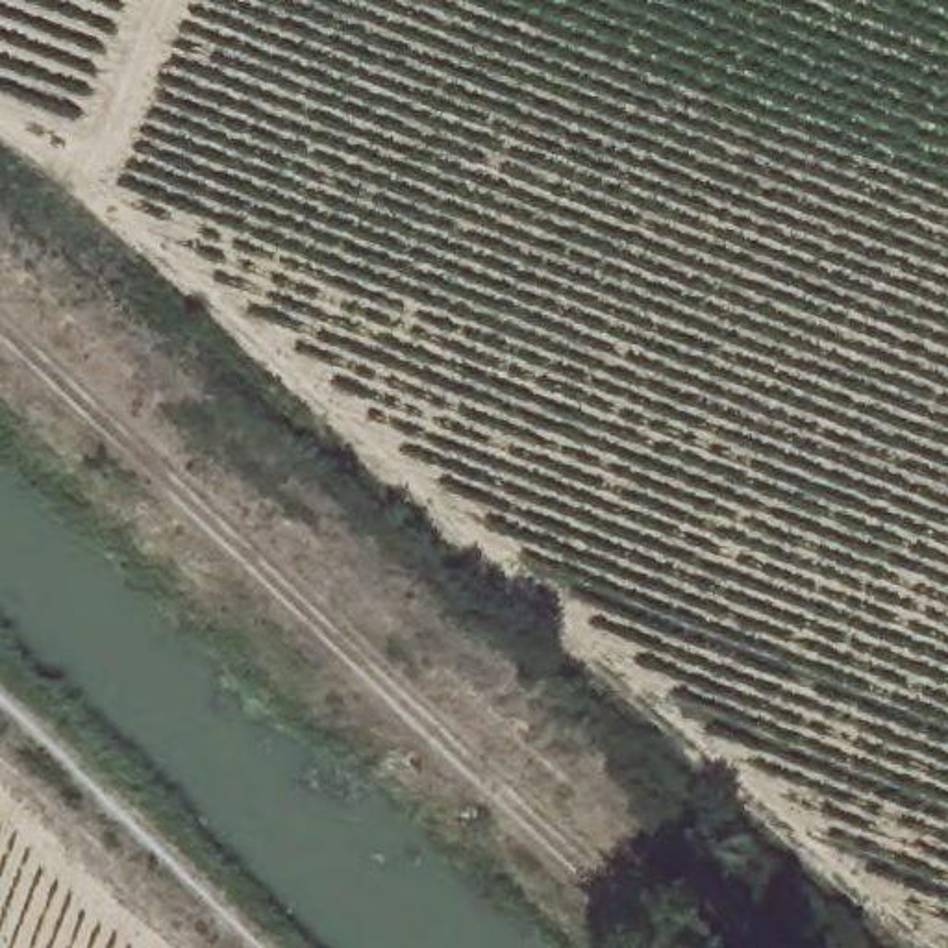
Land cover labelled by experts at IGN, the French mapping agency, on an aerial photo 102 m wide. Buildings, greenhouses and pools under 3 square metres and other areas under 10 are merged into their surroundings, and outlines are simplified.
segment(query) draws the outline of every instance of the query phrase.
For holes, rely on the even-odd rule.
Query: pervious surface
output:
[[[115,167],[119,174],[144,126],[144,111],[152,107],[159,63],[170,59],[170,44],[193,0],[122,0],[115,37],[96,56],[96,78],[89,85],[93,93],[81,96],[78,119],[63,119],[0,93],[0,141],[67,185],[78,174],[104,174],[107,167]]]

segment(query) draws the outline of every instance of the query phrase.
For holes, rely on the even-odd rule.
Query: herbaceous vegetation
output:
[[[63,259],[44,256],[22,233],[15,233],[11,218],[0,211],[0,400],[15,415],[30,418],[33,433],[59,455],[63,474],[74,474],[74,467],[100,444],[107,444],[107,452],[137,474],[133,500],[115,500],[104,511],[119,522],[133,522],[137,548],[144,555],[170,559],[181,574],[181,589],[196,596],[218,593],[218,574],[241,570],[252,581],[252,589],[274,600],[278,622],[289,618],[311,630],[311,637],[330,652],[330,663],[315,674],[311,692],[304,696],[307,711],[322,718],[326,696],[341,692],[348,707],[344,726],[370,733],[374,741],[385,741],[389,752],[381,763],[370,755],[359,767],[337,770],[352,789],[381,789],[396,804],[407,792],[463,796],[467,789],[474,789],[478,800],[493,807],[496,826],[507,830],[530,852],[537,852],[559,878],[589,878],[593,870],[600,870],[600,863],[618,841],[637,833],[637,826],[630,815],[630,796],[607,778],[607,763],[593,748],[589,733],[581,726],[552,722],[552,715],[544,715],[548,700],[537,700],[530,685],[518,681],[515,663],[504,652],[489,648],[481,637],[463,633],[452,618],[444,618],[437,596],[422,581],[407,578],[400,563],[381,559],[374,537],[356,537],[344,526],[341,504],[333,504],[318,485],[304,478],[285,481],[285,489],[296,500],[304,500],[318,515],[318,522],[307,530],[296,518],[285,518],[281,504],[259,496],[226,467],[211,474],[189,474],[181,433],[167,418],[159,418],[159,407],[181,400],[196,404],[204,381],[185,374],[170,356],[159,352],[156,333],[115,304],[111,289],[74,278]]]
[[[100,833],[104,848],[111,848],[119,863],[141,867],[148,874],[148,896],[159,904],[167,929],[193,929],[196,948],[274,948],[267,937],[256,933],[256,926],[241,918],[233,904],[226,904],[226,896],[207,878],[200,878],[178,855],[174,844],[167,844],[144,822],[141,811],[126,807],[93,770],[81,767],[74,748],[52,733],[52,726],[44,726],[0,685],[0,748],[11,755],[30,741],[41,744],[85,792],[85,800],[74,811],[78,822]]]

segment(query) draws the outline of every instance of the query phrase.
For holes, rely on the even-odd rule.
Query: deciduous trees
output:
[[[218,593],[196,596],[181,589],[181,574],[170,559],[144,555],[137,548],[133,522],[119,522],[104,511],[115,500],[133,500],[137,474],[107,452],[107,444],[100,444],[74,467],[74,474],[63,474],[59,455],[33,433],[30,418],[15,415],[0,400],[0,474],[26,500],[33,500],[74,544],[107,559],[115,574],[130,585],[130,593],[144,607],[159,611],[193,652],[215,659],[222,685],[244,700],[248,715],[267,718],[274,730],[289,733],[315,759],[337,770],[359,767],[370,755],[381,763],[389,752],[385,741],[374,741],[370,733],[344,726],[348,707],[341,692],[326,696],[322,718],[307,711],[304,696],[311,692],[315,674],[330,663],[330,652],[311,637],[311,630],[289,618],[278,622],[274,600],[252,589],[252,581],[241,570],[218,574]]]
[[[256,889],[233,863],[226,863],[207,844],[189,807],[156,781],[156,774],[133,752],[115,744],[93,722],[93,715],[81,707],[81,700],[70,696],[63,681],[52,681],[56,667],[37,674],[33,663],[19,652],[15,633],[0,626],[0,685],[44,726],[52,726],[52,733],[74,748],[81,767],[93,770],[126,807],[141,811],[144,822],[167,844],[174,844],[178,855],[200,878],[207,878],[226,896],[226,904],[233,904],[241,918],[256,926],[256,933],[267,937],[274,948],[315,948],[263,896],[263,889]]]
[[[85,800],[85,792],[41,744],[30,741],[11,755],[26,774],[44,781],[74,811]]]
[[[455,544],[444,541],[426,507],[407,489],[378,481],[356,455],[356,448],[341,441],[341,433],[330,422],[322,422],[296,393],[289,393],[278,374],[256,363],[215,322],[204,296],[181,293],[174,281],[167,281],[148,263],[148,256],[133,252],[115,230],[107,230],[81,200],[70,196],[67,185],[0,141],[0,211],[11,218],[15,233],[22,233],[44,256],[63,259],[74,278],[111,289],[115,304],[156,333],[159,352],[170,356],[185,374],[204,381],[196,404],[181,400],[159,407],[159,418],[167,418],[181,433],[189,474],[211,474],[226,467],[259,496],[281,504],[285,518],[296,518],[307,530],[318,522],[318,515],[304,500],[296,500],[285,489],[285,481],[304,478],[318,485],[333,504],[341,504],[344,526],[356,537],[374,537],[381,559],[400,563],[407,578],[422,581],[437,596],[444,618],[452,618],[463,633],[481,637],[489,648],[504,652],[515,663],[518,681],[530,685],[537,700],[548,700],[544,715],[552,715],[552,722],[581,726],[589,733],[593,748],[607,763],[607,778],[630,796],[630,815],[637,826],[637,833],[618,841],[600,863],[600,870],[593,870],[589,878],[559,878],[537,852],[530,852],[507,830],[496,826],[493,807],[478,800],[474,789],[467,789],[463,796],[407,792],[396,804],[404,822],[411,822],[418,833],[441,844],[441,855],[470,881],[478,900],[504,922],[518,926],[526,941],[537,948],[907,948],[878,926],[878,918],[852,892],[833,889],[811,867],[804,867],[804,859],[792,848],[774,841],[763,830],[763,822],[748,815],[737,778],[722,789],[707,781],[685,781],[685,737],[670,726],[641,718],[626,696],[596,685],[589,667],[563,648],[563,615],[555,622],[544,622],[526,607],[507,604],[481,578],[444,567],[444,555]]]

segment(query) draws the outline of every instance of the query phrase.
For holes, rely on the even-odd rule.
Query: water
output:
[[[33,500],[26,500],[0,474],[0,626],[15,633],[19,652],[33,663],[37,674],[56,667],[52,681],[63,681],[70,696],[81,700],[81,707],[93,715],[93,722],[115,744],[133,752],[156,774],[156,781],[189,807],[207,844],[226,863],[233,863],[256,889],[263,889],[263,896],[315,948],[537,948],[526,941],[518,926],[504,922],[478,900],[470,881],[441,855],[441,844],[418,833],[411,822],[404,822],[396,804],[381,789],[352,789],[337,770],[315,759],[289,733],[274,730],[267,718],[248,715],[244,700],[222,685],[215,659],[193,652],[159,611],[144,607],[130,593],[130,585],[115,574],[107,559],[74,544]]]

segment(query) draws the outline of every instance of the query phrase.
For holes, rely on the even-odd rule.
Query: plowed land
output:
[[[248,293],[218,285],[211,263],[196,256],[196,215],[144,215],[141,196],[119,185],[119,174],[115,167],[107,167],[104,174],[78,174],[67,185],[70,196],[81,200],[107,230],[115,230],[133,252],[148,256],[148,263],[167,281],[174,281],[181,293],[204,296],[215,322],[256,363],[278,374],[289,393],[296,393],[322,422],[330,422],[341,433],[341,441],[356,448],[356,455],[378,481],[407,489],[426,507],[444,541],[455,544],[478,548],[507,578],[515,578],[522,563],[518,541],[493,533],[485,526],[481,504],[444,493],[441,467],[407,459],[400,452],[404,444],[396,430],[367,418],[370,407],[378,407],[374,400],[359,400],[333,389],[330,363],[296,356],[293,330],[248,318]]]

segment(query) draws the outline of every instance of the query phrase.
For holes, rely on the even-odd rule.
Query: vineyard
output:
[[[119,174],[119,185],[141,196],[144,215],[196,215],[196,256],[211,263],[218,285],[248,293],[248,318],[293,330],[296,356],[330,363],[333,389],[359,400],[374,400],[378,407],[370,407],[367,418],[396,430],[404,444],[400,452],[407,459],[441,467],[444,493],[481,504],[485,526],[493,533],[518,541],[522,563],[515,578],[507,578],[478,548],[455,544],[444,555],[444,567],[481,578],[507,604],[526,607],[544,622],[555,622],[563,615],[563,648],[589,667],[596,685],[626,696],[641,718],[670,726],[685,737],[685,781],[707,781],[722,789],[737,778],[748,815],[763,822],[763,830],[774,841],[792,848],[804,859],[804,867],[811,867],[833,889],[852,892],[878,918],[878,926],[907,948],[948,948],[948,0],[193,0],[170,44],[170,59],[159,63],[152,107],[144,111],[144,126]]]
[[[78,119],[81,96],[93,93],[89,85],[96,78],[96,56],[115,37],[122,0],[0,0],[0,93],[63,119]]]
[[[74,811],[44,781],[26,774],[11,755],[0,748],[0,948],[196,948],[193,929],[167,929],[159,904],[148,896],[148,874],[141,867],[119,863],[111,848],[104,848],[100,833],[78,822]]]

